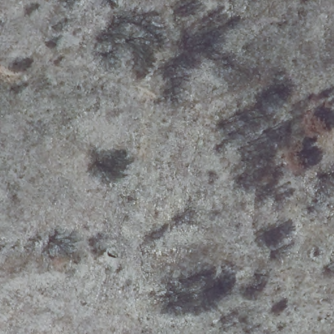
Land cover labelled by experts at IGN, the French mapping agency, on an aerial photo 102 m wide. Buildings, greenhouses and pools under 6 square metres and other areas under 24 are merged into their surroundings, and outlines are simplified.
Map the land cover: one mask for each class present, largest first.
<instances>
[{"label":"bare soil","instance_id":"1","mask_svg":"<svg viewBox=\"0 0 334 334\"><path fill-rule=\"evenodd\" d=\"M0 334H334V0H0Z\"/></svg>","mask_w":334,"mask_h":334}]
</instances>
